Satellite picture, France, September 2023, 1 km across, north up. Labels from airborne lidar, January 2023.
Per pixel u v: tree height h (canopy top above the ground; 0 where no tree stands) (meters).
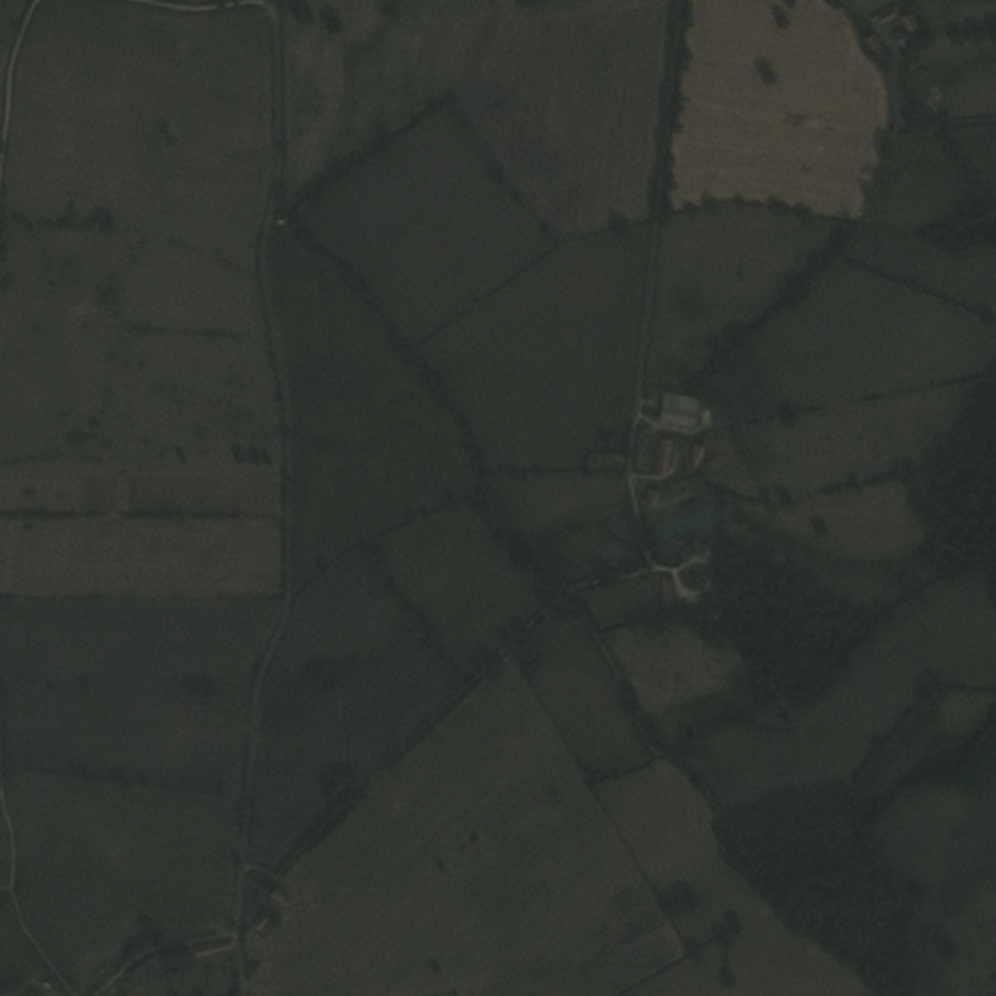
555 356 0
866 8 0
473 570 0
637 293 0
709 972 0
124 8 0
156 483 0
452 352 0
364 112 0
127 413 0
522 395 0
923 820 0
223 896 0
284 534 7
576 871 0
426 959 0
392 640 0
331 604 0
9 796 0
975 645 0
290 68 0
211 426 0
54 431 0
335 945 0
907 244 0
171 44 0
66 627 0
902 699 0
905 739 0
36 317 0
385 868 0
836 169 0
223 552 0
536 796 0
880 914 16
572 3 0
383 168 0
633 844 0
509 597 0
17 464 0
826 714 0
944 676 0
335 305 0
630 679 0
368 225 0
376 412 0
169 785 0
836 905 22
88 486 0
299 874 0
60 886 0
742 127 0
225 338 0
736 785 0
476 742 0
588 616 14
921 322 0
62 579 0
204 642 0
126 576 0
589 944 0
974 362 0
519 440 0
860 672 0
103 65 0
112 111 0
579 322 0
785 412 12
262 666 7
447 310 0
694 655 0
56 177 0
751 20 0
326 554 0
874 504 0
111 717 0
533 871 0
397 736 0
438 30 0
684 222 0
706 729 0
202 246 0
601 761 0
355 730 0
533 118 0
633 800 0
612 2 0
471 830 0
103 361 0
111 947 0
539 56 0
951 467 23
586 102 0
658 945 0
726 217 0
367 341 0
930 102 0
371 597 0
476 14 0
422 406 0
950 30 13
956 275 0
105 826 0
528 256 0
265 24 0
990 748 0
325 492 0
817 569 0
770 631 23
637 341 0
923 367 0
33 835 0
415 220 0
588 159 0
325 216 0
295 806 0
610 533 0
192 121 0
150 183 0
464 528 0
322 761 0
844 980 0
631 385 0
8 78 0
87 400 0
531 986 0
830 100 0
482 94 0
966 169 17
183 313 0
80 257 0
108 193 0
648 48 0
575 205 0
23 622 0
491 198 0
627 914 0
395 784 0
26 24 0
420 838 0
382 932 0
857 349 0
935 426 0
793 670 22
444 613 0
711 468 0
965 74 0
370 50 0
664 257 0
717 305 0
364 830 0
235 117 0
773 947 0
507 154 0
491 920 0
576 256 0
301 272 0
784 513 0
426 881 0
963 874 0
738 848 26
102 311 0
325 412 0
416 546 0
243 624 0
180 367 0
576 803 0
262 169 0
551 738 0
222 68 0
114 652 0
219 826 0
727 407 0
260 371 0
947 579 16
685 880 0
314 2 0
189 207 0
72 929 0
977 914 0
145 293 0
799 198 0
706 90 0
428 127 0
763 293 0
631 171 0
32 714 0
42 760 0
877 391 0
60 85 0
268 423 0
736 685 18
